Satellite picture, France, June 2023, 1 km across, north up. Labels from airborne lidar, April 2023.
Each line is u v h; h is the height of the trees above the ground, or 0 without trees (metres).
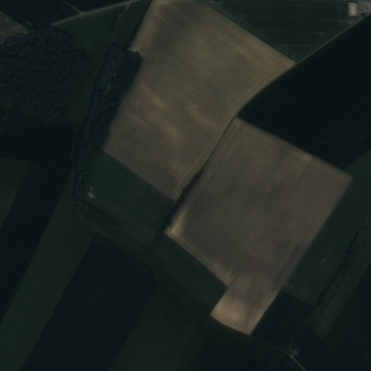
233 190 0
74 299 0
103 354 0
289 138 0
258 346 0
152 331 0
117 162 0
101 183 0
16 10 0
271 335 0
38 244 0
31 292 0
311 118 0
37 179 0
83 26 0
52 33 26
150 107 0
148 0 0
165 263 0
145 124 0
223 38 0
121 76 21
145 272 0
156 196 0
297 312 0
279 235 0
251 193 0
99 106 18
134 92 0
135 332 0
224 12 0
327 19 0
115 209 0
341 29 0
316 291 0
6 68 23
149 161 0
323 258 0
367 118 0
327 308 0
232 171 0
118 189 0
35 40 24
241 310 0
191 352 0
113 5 0
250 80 0
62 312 0
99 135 21
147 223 0
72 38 17
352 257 0
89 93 0
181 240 0
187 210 0
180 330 0
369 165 0
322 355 0
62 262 0
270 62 0
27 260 0
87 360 0
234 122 0
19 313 0
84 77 0
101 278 0
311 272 0
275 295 0
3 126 0
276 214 0
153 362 0
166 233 0
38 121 0
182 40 0
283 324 0
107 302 0
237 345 0
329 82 0
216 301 0
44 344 0
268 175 0
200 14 0
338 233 0
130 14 0
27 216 0
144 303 0
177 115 0
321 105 0
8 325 0
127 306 0
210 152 0
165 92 0
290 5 0
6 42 14
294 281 0
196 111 0
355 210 0
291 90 0
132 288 0
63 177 0
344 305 0
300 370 0
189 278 0
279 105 0
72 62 29
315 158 0
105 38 0
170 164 0
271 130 0
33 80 29
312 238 0
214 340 0
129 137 0
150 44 0
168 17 0
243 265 0
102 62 0
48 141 0
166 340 0
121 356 0
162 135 0
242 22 0
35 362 0
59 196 0
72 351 0
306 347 0
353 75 0
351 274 0
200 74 0
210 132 0
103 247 0
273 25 0
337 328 0
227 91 0
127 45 10
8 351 0
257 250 0
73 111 0
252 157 0
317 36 0
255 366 0
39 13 0
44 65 24
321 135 0
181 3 0
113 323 0
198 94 0
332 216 0
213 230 0
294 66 0
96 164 0
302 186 0
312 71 0
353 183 0
